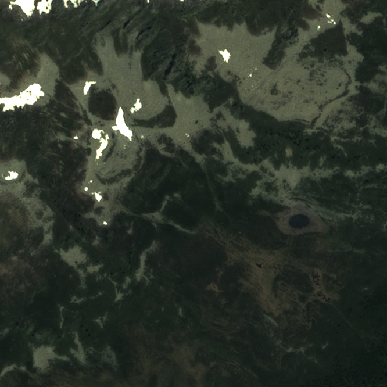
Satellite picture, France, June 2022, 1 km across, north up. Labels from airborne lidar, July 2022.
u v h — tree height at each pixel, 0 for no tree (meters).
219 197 0
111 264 0
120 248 0
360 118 0
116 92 0
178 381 0
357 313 0
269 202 0
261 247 0
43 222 0
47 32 0
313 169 0
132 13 0
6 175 0
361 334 0
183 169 0
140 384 0
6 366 0
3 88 0
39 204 0
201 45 0
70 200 0
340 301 0
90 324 0
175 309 0
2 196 0
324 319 0
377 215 0
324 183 0
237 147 0
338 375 8
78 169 0
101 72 0
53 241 0
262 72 0
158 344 0
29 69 0
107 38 0
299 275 0
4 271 0
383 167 0
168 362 0
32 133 0
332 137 0
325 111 0
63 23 0
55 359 0
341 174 0
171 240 0
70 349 0
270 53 0
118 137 0
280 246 0
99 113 0
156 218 0
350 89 0
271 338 0
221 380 0
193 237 0
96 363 0
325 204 0
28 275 0
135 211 0
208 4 6
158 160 0
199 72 0
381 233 0
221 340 0
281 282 0
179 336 0
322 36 0
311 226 0
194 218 0
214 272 0
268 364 0
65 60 0
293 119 0
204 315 0
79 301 0
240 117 0
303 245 0
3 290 0
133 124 0
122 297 0
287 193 0
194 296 0
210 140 0
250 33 0
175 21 0
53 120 0
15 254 0
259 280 0
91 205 0
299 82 0
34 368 0
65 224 0
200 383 0
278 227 0
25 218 0
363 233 0
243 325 0
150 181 0
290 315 0
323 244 0
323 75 0
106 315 0
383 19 0
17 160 0
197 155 0
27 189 0
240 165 0
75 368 0
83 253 0
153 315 0
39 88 0
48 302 0
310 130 0
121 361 0
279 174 0
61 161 0
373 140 0
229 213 0
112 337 0
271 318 0
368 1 0
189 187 0
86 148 0
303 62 0
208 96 0
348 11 0
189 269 0
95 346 0
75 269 0
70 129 0
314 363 0
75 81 0
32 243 0
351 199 0
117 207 0
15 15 0
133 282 0
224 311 0
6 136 0
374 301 6
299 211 0
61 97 0
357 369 7
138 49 0
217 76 0
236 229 0
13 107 0
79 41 0
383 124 0
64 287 0
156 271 0
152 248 0
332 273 0
